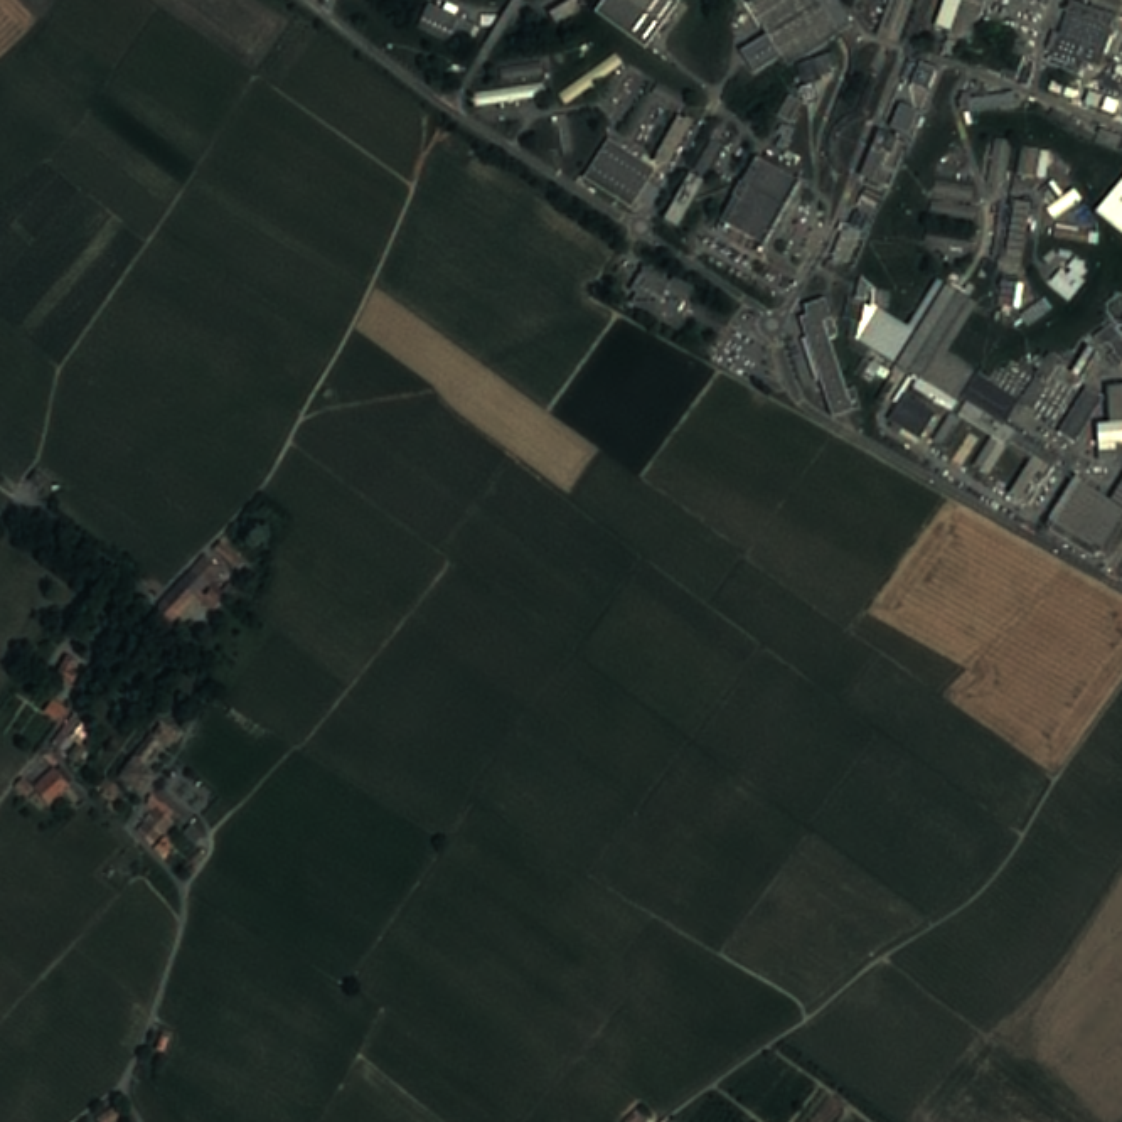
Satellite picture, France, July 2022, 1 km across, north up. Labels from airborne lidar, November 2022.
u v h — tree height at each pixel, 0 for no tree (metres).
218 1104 0
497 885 0
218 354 0
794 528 0
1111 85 0
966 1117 0
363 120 0
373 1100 0
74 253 0
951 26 0
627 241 16
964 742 0
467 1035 0
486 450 0
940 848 0
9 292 0
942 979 0
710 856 0
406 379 0
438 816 0
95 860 0
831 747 0
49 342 0
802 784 0
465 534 0
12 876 0
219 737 0
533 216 0
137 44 0
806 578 0
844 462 0
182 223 0
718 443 0
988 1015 0
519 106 0
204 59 0
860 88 11
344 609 0
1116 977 0
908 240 0
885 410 0
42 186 0
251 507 7
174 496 0
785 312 0
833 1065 0
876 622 0
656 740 0
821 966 0
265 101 0
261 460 0
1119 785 0
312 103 0
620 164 0
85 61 0
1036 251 0
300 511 0
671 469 0
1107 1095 0
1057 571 0
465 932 0
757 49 0
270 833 0
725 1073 0
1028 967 0
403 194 0
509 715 0
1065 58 0
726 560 0
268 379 0
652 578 0
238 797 0
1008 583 0
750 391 0
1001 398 0
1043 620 0
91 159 0
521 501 0
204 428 0
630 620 0
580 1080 0
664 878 0
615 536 0
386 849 0
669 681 0
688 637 0
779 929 0
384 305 0
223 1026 0
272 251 0
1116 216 0
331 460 0
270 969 0
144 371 0
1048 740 0
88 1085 0
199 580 0
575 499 0
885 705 0
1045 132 0
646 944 0
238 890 0
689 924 0
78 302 0
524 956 0
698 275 11
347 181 0
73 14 0
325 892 0
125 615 24
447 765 0
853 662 0
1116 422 0
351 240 0
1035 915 0
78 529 9
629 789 0
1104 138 0
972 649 0
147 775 0
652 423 0
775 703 0
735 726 0
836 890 0
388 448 0
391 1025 0
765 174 0
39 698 24
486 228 0
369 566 0
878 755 0
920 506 0
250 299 0
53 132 0
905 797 0
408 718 0
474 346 0
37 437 0
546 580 0
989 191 0
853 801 0
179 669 15
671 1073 0
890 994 0
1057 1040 0
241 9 0
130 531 0
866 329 0
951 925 0
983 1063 0
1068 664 0
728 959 0
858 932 0
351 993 14
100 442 0
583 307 0
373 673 0
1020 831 0
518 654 0
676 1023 0
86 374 0
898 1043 0
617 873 0
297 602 0
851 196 0
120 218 0
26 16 0
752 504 0
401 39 0
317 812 0
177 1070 0
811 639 0
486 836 0
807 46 0
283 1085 0
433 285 0
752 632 0
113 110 0
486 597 0
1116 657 0
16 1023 0
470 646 0
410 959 0
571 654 0
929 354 0
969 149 0
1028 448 0
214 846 0
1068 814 0
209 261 0
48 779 0
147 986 0
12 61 0
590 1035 0
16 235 0
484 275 0
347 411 0
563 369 0
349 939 0
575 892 0
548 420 0
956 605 0
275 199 0
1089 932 0
